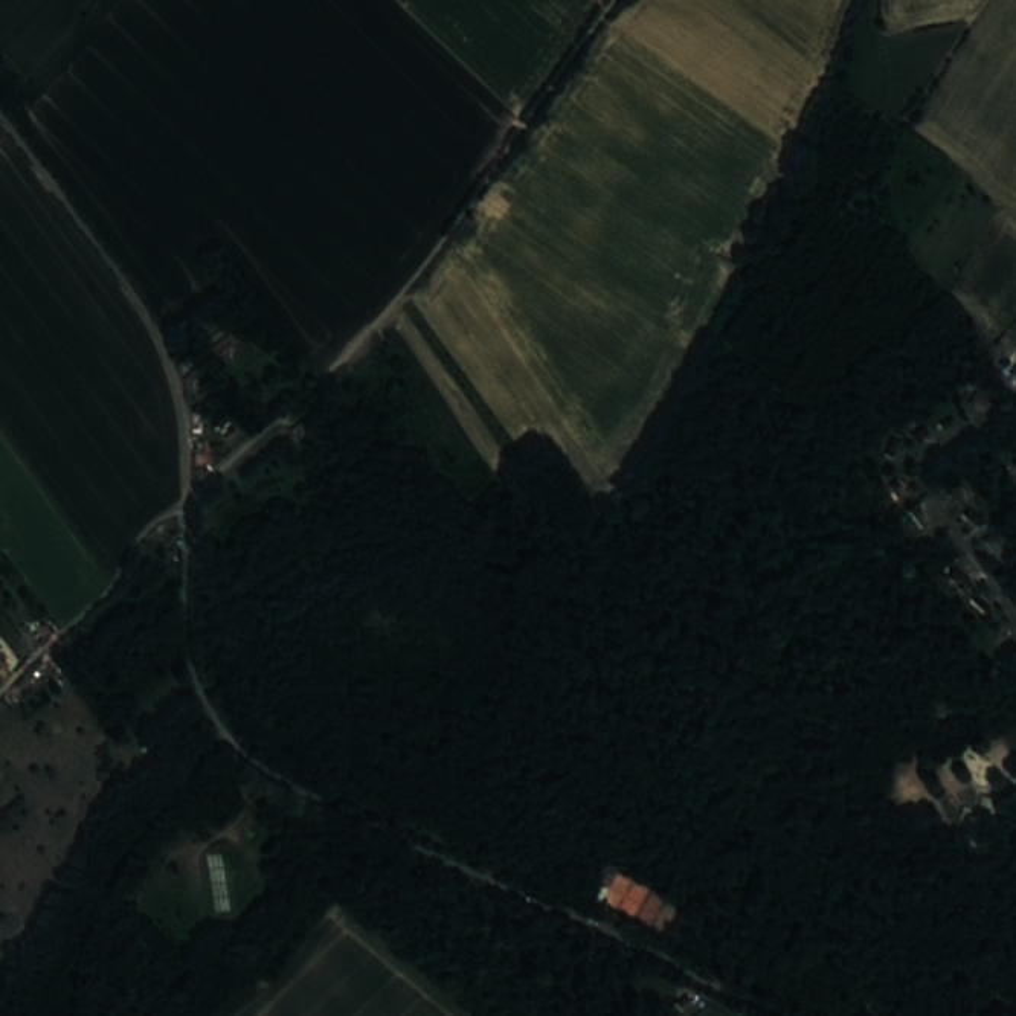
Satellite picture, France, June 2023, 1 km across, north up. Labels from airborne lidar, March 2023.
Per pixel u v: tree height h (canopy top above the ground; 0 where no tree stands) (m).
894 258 12
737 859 25
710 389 19
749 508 26
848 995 17
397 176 0
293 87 0
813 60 0
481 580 18
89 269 0
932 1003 28
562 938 24
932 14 0
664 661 21
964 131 0
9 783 0
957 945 24
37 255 0
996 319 0
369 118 0
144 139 0
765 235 18
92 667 24
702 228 0
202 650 11
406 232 0
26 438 0
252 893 0
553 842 32
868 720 26
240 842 0
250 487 0
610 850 26
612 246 0
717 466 26
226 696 11
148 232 0
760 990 26
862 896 22
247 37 0
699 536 27
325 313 0
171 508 0
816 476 15
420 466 18
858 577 27
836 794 25
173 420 0
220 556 12
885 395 22
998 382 21
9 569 7
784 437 12
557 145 0
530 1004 25
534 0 0
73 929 13
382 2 0
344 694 18
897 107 0
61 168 0
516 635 33
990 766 0
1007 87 0
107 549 0
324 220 0
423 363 0
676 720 21
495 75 0
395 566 18
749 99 0
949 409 0
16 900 0
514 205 0
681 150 0
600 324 0
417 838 11
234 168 0
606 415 0
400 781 20
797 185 24
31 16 0
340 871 17
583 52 8
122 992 20
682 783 26
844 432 23
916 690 23
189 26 0
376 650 17
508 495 20
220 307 25
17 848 0
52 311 0
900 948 26
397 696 16
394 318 0
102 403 0
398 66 0
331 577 10
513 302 0
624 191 0
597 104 0
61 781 0
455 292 0
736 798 26
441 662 18
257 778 19
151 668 6
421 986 0
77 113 0
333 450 10
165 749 22
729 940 25
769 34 0
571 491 39
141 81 0
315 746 15
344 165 0
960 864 25
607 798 27
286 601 7
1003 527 22
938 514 0
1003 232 0
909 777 0
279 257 0
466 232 0
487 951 26
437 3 0
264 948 20
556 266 0
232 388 19
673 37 0
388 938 13
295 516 17
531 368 0
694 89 0
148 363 0
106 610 7
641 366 0
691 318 0
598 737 25
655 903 0
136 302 0
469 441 0
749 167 0
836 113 10
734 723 28
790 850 28
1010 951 24
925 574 24
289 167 0
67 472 0
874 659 27
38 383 0
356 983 0
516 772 17
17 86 15
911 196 0
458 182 0
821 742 23
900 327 14
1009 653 20
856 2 8
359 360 0
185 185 0
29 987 22
